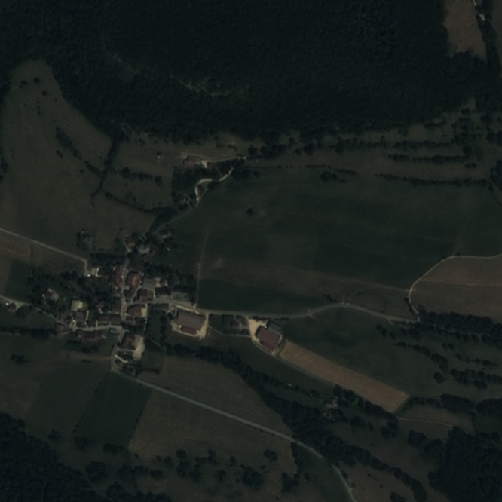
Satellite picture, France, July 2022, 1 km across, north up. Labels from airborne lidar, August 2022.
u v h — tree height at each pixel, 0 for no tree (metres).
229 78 7
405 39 19
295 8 14
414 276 0
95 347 6
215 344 0
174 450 0
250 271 0
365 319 0
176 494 0
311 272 0
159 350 9
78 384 0
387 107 19
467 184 12
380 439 0
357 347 0
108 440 0
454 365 0
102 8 15
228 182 0
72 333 6
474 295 0
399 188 0
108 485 0
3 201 0
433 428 0
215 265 0
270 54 12
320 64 11
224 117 20
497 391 0
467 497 25
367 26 17
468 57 20
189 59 12
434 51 19
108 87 20
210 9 15
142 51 13
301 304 0
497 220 0
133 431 0
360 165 0
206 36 13
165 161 0
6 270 0
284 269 0
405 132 9
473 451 25
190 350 19
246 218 0
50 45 6
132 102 24
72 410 0
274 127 18
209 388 0
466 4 0
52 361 0
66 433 0
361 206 0
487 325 21
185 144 6
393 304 0
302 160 0
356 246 0
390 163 0
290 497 0
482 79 19
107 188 0
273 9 14
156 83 17
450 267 0
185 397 0
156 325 0
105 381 0
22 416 0
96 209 0
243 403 0
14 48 24
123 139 16
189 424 0
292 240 0
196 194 8
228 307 0
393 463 0
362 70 12
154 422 0
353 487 6
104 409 0
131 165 0
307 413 22
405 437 0
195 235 0
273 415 0
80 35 25
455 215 0
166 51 14
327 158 0
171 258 0
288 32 14
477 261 0
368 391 0
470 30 0
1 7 14
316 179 0
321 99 20
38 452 24
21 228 0
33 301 15
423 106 19
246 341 0
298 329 0
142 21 16
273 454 13
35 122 0
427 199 0
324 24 14
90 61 20
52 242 0
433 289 0
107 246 0
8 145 0
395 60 16
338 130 6
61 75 16
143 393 0
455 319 21
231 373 0
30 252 0
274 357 0
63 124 0
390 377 0
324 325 0
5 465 17
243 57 15
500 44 0
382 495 0
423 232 0
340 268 0
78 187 0
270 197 0
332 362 0
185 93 12
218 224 0
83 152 0
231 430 0
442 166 0
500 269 0
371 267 0
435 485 21
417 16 19
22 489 29
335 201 0
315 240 0
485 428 0
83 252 0
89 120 10
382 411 19
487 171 0
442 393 0
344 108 17
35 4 20
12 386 0
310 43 12
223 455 0
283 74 12
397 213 0
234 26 15
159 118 17
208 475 0
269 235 0
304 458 0
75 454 0
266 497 0
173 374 0
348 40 13
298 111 18
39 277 6
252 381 19
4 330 6
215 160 0
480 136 9
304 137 14
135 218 0
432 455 13
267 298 0
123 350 0
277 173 0
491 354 0
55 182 0
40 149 0
